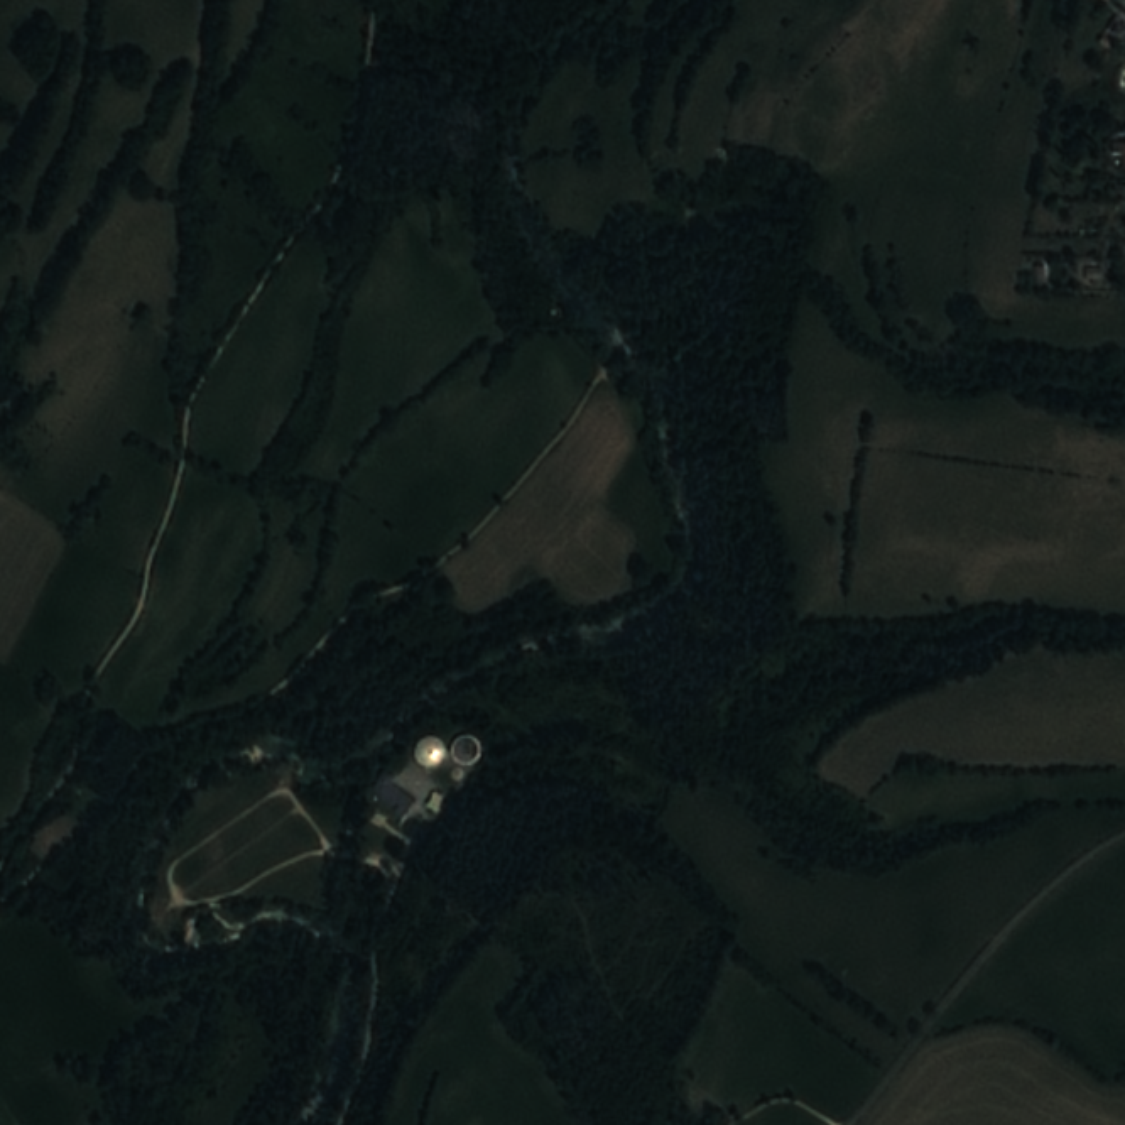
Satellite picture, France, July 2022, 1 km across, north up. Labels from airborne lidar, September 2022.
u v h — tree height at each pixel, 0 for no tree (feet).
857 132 0
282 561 0
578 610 20
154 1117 33
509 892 66
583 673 23
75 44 69
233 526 0
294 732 65
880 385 0
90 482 0
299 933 78
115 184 70
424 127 107
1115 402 28
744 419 50
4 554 0
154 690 0
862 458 19
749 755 34
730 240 62
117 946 70
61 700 24
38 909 43
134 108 0
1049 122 57
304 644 0
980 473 0
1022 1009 0
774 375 37
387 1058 35
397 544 0
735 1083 0
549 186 0
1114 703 0
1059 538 0
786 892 0
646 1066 28
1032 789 0
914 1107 0
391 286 0
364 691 69
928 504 0
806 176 65
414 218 0
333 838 0
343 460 0
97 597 0
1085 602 0
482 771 20
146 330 0
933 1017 31
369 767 55
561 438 0
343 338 27
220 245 0
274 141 0
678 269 77
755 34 0
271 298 0
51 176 42
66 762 26
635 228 88
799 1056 0
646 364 61
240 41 0
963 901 0
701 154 0
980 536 0
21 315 25
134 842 29
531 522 0
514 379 0
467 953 43
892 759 0
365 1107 23
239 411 0
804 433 0
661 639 85
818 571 0
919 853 48
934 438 0
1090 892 0
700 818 0
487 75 81
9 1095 0
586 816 92
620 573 0
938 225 0
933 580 0
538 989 26
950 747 0
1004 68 0
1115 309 0
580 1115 67
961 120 0
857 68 0
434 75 124
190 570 0
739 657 71
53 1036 0
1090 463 0
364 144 82
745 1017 0
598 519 0
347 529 0
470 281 0
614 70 81
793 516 0
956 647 74
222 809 0
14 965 0
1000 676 0
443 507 0
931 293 0
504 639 57
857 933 0
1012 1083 0
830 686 27
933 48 0
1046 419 0
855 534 34
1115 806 44
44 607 0
